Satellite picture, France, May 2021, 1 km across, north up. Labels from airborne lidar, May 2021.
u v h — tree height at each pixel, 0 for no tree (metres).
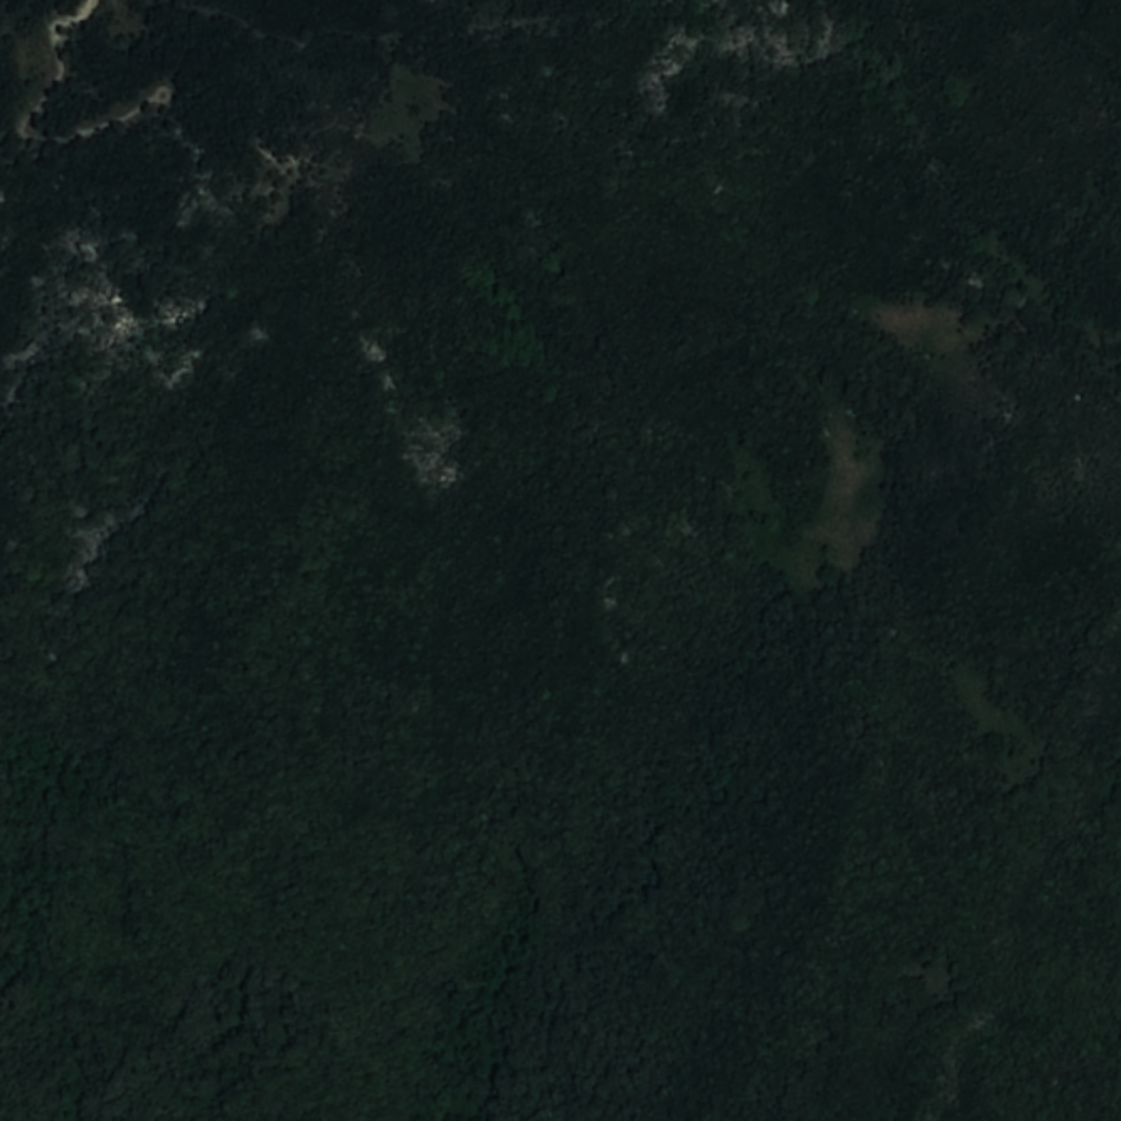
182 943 17
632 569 9
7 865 12
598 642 7
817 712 11
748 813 13
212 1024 23
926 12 7
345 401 9
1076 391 5
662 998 15
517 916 19
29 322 10
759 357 7
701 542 9
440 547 12
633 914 21
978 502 6
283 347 8
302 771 9
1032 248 12
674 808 14
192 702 8
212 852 12
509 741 13
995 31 7
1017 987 13
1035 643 10
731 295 12
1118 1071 9
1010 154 6
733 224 11
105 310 9
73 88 8
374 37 7
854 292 9
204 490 15
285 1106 14
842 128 8
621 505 8
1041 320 8
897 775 6
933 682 9
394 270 7
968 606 7
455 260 13
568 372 15
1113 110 7
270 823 10
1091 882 13
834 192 8
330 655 14
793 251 12
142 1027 14
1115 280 7
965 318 9
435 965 18
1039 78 8
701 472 13
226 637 14
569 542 15
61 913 15
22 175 12
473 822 12
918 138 13
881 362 11
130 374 11
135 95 12
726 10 10
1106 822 15
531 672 10
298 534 11
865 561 7
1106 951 9
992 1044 10
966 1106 8
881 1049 11
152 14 13
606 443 12
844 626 7
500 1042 14
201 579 13
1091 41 6
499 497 7
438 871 10
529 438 12
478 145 9
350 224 7
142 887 13
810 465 11
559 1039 17
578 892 10
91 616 13
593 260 14
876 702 9
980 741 8
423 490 9
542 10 9
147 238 15
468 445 10
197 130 11
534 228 14
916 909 9
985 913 11
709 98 18
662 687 7
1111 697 7
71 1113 10
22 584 11
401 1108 18
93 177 11
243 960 15
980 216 7
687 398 8
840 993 7
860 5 11
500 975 20
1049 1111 10
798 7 8
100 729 15
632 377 11
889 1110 10
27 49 0
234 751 11
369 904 13
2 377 10
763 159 7
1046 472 6
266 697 13
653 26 13
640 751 10
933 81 11
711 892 10
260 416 11
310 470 10
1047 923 6
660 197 8
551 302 13
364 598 11
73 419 8
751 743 11
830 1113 12
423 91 0
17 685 9
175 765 8
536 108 11
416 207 12
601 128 12
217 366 12
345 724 13
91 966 14
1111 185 7
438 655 10
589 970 11
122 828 13
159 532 14
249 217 11
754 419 10
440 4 11
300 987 14
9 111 10
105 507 9
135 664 8
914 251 6
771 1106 8
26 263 8
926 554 6
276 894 11
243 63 8
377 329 8
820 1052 14
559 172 10
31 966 18
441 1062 20
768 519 13
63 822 18
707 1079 8
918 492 7
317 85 6
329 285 7
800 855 6
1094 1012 19
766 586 16
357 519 11
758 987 7
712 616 9
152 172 12
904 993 10
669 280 11
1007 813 13
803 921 6
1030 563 6
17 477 10
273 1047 16
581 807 13
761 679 10
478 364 11
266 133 8
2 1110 11
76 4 8
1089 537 7
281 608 10
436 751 9
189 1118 11
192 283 9
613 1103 8
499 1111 16
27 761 18
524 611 8
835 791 7
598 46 12
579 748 11
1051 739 10
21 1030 17
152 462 15
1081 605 7
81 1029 14
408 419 9
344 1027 13
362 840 15
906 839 9
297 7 8
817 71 14
